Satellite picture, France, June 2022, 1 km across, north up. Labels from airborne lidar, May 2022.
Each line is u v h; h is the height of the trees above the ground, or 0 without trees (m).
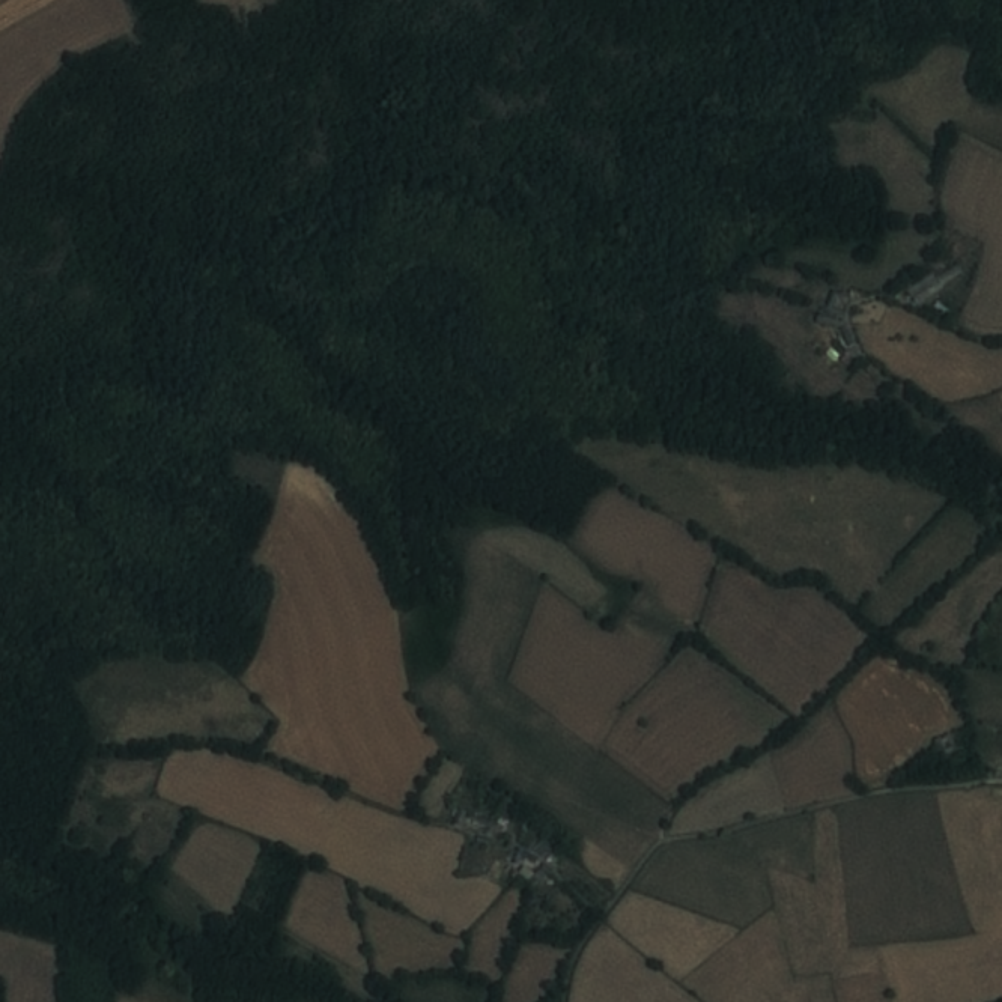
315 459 15
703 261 14
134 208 26
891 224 17
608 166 8
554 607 0
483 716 0
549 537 12
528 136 12
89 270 16
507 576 0
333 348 16
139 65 8
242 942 15
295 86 16
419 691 0
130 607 14
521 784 0
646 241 16
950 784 11
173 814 0
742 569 12
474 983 15
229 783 0
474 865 0
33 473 26
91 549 14
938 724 0
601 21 8
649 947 0
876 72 11
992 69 14
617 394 18
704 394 22
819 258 0
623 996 0
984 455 20
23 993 0
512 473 15
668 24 19
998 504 17
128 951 20
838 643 0
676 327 14
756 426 25
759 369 7
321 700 0
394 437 22
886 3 11
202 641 19
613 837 0
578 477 17
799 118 14
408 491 31
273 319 24
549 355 18
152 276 23
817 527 0
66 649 15
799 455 12
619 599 0
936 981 0
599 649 0
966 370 0
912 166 0
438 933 16
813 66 11
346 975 0
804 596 0
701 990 0
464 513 17
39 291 13
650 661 0
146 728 0
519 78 10
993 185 0
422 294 25
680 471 0
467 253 12
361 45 7
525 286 14
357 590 0
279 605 0
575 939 9
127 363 26
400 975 15
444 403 14
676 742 0
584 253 16
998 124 0
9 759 17
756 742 0
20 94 0
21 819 20
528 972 0
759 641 0
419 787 13
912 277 18
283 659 0
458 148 8
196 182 24
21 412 22
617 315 6
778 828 0
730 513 0
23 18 0
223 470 14
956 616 0
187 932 14
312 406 15
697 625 8
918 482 13
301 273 10
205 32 12
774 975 0
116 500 13
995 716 0
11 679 14
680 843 0
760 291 12
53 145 9
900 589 0
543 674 0
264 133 7
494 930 0
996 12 16
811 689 0
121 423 11
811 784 0
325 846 0
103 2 0
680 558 0
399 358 18
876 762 0
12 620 16
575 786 0
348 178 15
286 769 15
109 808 0
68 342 16
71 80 13
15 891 14
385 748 0
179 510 11
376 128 24
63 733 17
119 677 0
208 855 0
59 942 11
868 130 0
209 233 20
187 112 10
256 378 10
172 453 11
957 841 0
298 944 0
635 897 0
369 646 0
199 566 12
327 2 17
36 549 13
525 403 16
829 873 0
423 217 12
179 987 6
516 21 11
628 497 8
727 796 0
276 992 10
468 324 25
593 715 0
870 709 0
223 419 10
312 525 0
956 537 0
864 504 0
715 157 13
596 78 11
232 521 15
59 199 15
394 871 0
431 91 13
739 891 0
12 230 9
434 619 0
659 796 0
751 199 19
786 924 0
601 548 0
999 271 0
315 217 11
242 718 0
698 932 0
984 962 0
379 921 0
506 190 16
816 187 18
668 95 10
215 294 11
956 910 0
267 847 11
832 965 0
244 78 10
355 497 11
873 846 0
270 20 14
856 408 12
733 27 25
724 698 0
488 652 0
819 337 0
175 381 15
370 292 9
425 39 6
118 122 8
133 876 14
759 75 16
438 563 19
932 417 10
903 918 0
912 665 16
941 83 0
